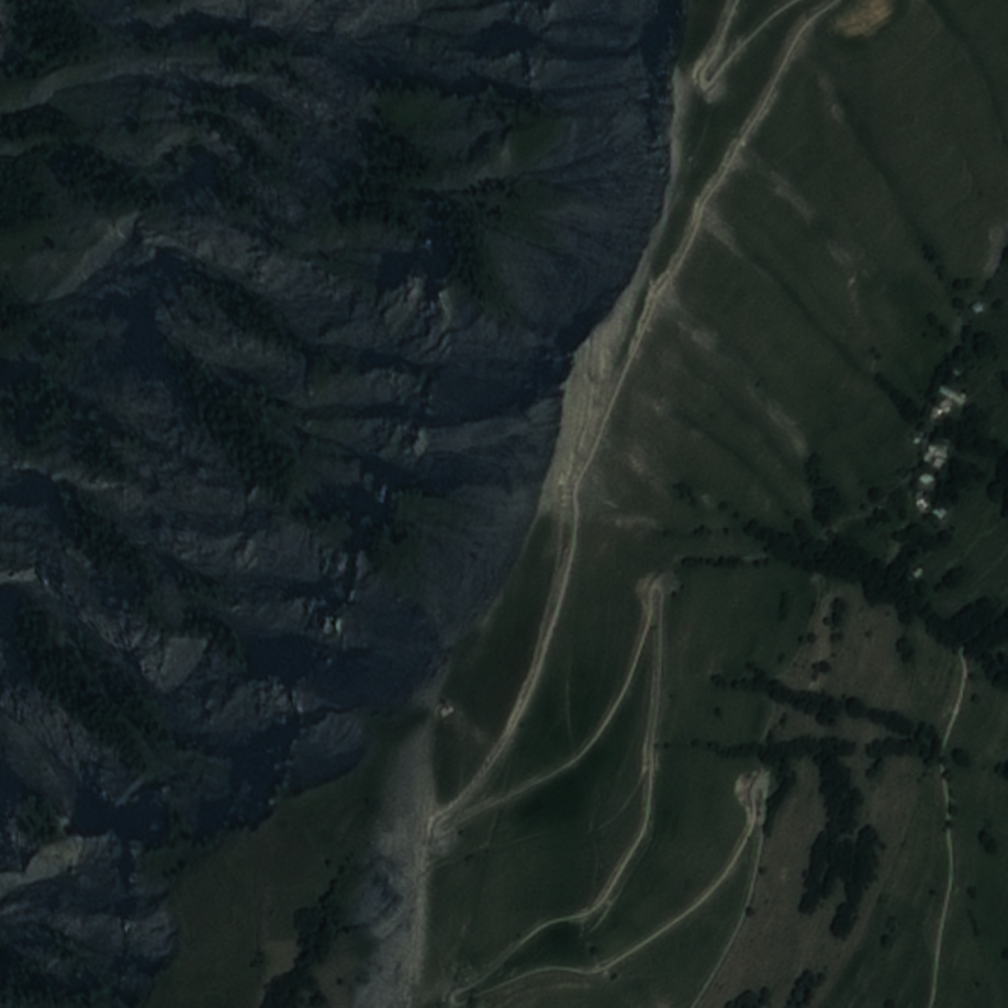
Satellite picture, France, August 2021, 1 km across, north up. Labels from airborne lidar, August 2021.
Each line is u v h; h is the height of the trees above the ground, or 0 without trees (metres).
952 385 12
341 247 0
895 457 0
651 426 0
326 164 0
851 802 11
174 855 0
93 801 0
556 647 0
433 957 0
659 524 0
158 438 0
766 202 0
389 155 14
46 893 0
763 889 0
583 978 0
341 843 0
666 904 0
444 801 0
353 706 0
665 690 0
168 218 0
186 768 0
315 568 0
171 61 0
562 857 0
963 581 14
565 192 0
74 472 0
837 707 15
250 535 0
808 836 0
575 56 0
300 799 0
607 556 0
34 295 0
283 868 0
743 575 0
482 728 0
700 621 0
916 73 0
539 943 0
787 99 0
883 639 0
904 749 15
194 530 0
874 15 0
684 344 0
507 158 0
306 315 0
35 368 0
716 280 0
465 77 0
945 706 0
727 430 0
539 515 0
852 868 13
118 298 0
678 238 0
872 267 0
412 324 0
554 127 0
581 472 0
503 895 0
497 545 0
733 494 0
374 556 12
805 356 0
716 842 0
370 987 0
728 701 0
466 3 0
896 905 0
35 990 7
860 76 0
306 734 0
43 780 0
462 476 0
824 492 8
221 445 8
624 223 0
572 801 0
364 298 0
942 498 13
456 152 0
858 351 0
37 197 11
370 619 0
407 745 0
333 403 0
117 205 9
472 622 0
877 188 0
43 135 10
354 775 0
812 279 0
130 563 13
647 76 0
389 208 13
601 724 0
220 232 0
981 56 0
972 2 0
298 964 12
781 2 0
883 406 0
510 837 0
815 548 13
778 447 0
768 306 0
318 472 0
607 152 0
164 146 0
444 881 0
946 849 0
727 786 0
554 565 0
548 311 0
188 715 0
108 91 0
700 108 0
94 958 0
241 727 0
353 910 0
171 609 0
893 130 0
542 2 0
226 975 0
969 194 0
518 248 0
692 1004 0
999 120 0
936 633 13
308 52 0
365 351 0
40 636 10
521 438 0
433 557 0
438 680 0
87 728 8
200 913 0
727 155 0
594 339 0
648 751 0
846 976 0
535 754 0
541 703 0
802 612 0
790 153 0
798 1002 12
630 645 0
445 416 0
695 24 0
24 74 12
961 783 0
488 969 0
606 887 0
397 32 0
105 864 0
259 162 15
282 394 0
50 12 15
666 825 0
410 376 0
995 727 0
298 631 0
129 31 0
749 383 0
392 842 0
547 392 0
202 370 9
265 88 0
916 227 0
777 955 0
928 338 8
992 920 0
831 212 0
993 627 12
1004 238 0
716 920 0
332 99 0
